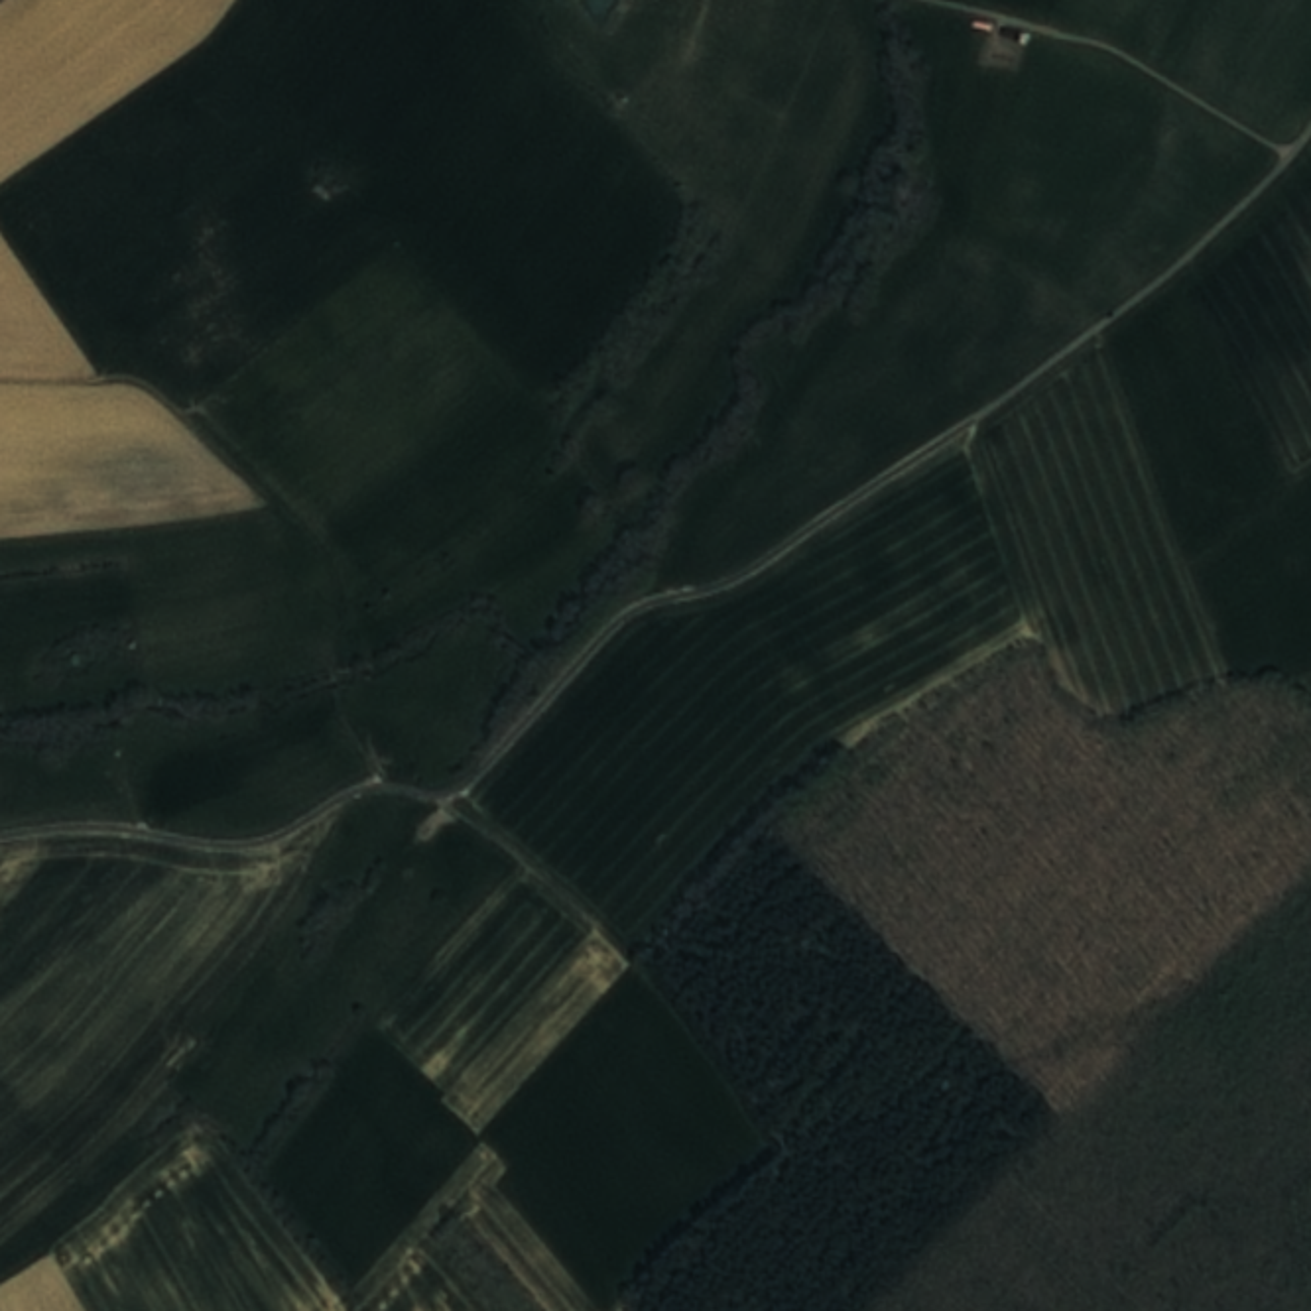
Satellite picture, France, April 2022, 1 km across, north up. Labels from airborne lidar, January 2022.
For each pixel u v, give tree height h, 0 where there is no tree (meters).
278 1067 0
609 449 0
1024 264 0
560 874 0
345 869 0
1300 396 0
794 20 0
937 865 0
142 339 0
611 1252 0
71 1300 0
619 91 0
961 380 0
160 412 0
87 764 0
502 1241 0
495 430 0
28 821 0
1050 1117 20
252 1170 7
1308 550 0
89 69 0
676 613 0
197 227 0
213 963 0
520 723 15
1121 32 0
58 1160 0
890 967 20
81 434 0
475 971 0
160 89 0
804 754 0
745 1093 20
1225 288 0
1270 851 0
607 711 0
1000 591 0
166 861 0
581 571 0
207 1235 0
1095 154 0
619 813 0
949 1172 23
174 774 0
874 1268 19
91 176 0
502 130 0
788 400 0
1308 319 0
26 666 0
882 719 0
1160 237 0
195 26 0
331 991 0
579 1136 0
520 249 0
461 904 0
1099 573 0
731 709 0
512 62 0
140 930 0
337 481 0
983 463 0
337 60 0
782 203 0
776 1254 21
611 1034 0
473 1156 0
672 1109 0
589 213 0
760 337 15
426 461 0
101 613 0
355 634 0
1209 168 0
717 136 0
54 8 0
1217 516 0
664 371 0
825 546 0
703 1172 0
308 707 0
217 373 0
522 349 0
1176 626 0
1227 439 0
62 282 0
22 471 0
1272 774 0
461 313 0
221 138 0
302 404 0
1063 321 0
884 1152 22
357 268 0
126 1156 0
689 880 0
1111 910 0
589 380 15
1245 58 0
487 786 0
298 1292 0
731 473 0
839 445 0
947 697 13
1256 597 0
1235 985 16
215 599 0
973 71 0
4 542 0
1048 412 0
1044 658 16
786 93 0
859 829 0
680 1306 22
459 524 0
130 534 0
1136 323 0
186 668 0
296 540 0
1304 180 0
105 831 0
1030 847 0
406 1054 0
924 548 0
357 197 0
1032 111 0
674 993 20
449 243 0
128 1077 0
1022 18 0
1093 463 0
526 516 0
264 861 0
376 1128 0
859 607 0
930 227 18
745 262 0
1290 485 0
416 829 0
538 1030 0
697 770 0
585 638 16
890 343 0
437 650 0
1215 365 0
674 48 0
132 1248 0
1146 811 0
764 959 22
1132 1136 16
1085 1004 0
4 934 0
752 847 22
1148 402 0
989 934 0
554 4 0
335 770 0
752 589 0
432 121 0
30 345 0
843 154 0
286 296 0
